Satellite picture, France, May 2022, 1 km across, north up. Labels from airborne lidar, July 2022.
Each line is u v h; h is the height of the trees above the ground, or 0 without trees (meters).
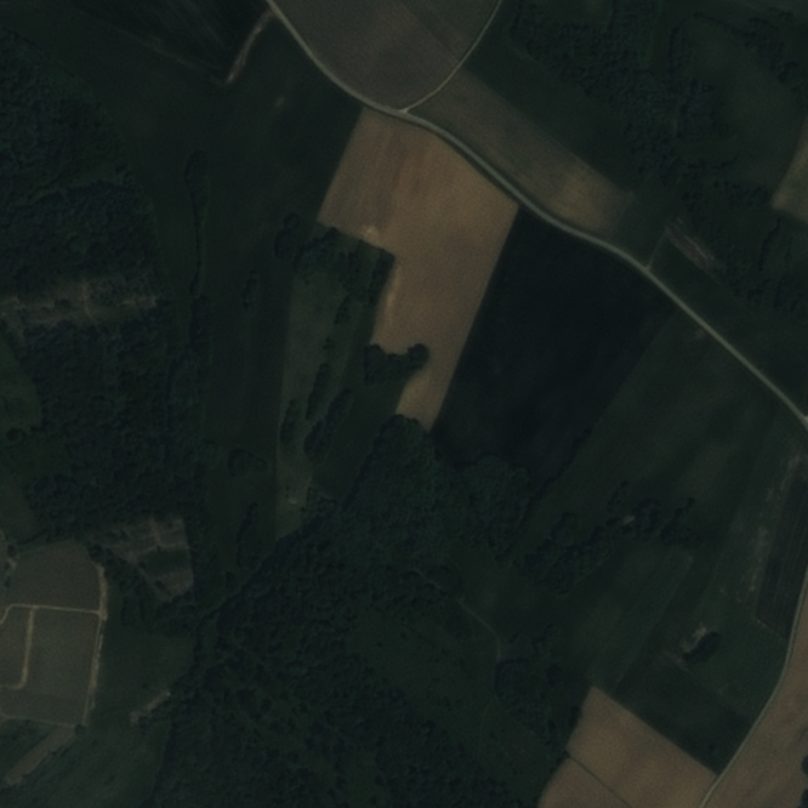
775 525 0
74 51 0
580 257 0
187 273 0
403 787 23
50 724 0
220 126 0
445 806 25
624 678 0
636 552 0
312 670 17
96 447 24
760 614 0
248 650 21
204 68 0
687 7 0
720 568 0
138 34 0
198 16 0
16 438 19
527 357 0
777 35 14
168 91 0
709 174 16
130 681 0
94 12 0
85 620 0
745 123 0
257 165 0
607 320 0
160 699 0
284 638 24
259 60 0
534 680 21
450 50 0
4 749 8
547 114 0
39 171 25
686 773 0
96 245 26
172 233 0
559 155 0
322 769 0
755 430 0
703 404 0
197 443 23
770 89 0
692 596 0
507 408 0
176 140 0
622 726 0
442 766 22
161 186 0
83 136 21
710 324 0
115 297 17
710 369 0
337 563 11
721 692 0
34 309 0
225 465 0
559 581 15
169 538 0
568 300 0
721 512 0
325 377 12
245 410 0
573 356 0
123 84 0
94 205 26
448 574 18
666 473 0
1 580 0
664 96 23
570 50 6
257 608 24
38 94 25
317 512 7
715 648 13
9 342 11
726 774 0
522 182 0
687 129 10
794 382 0
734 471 0
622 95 17
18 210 21
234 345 0
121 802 0
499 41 0
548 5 0
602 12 0
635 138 9
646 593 0
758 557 0
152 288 19
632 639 0
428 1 0
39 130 29
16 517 0
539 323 0
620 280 0
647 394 0
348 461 0
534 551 0
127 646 0
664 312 0
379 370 13
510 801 18
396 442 19
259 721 25
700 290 0
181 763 20
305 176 0
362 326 0
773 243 11
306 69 0
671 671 0
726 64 0
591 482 0
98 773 0
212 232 0
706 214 15
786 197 0
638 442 0
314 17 0
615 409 0
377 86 0
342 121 0
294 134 0
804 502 0
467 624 18
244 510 0
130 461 24
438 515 20
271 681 24
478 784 24
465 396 0
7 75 24
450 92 0
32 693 0
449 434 0
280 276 0
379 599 16
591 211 0
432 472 23
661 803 0
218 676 22
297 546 20
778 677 0
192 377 20
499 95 0
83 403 24
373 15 0
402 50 0
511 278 0
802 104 7
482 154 0
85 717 0
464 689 0
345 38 0
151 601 12
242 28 0
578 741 0
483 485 20
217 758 22
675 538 15
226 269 0
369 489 20
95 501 22
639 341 0
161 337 24
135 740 0
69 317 0
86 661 0
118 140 9
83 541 16
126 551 0
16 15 0
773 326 0
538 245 0
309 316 0
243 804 22
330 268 14
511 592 0
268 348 0
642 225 0
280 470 0
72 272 27
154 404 7
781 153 0
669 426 0
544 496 13
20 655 0
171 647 0
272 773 24
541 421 0
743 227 0
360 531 24
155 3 0
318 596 11
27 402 0
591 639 0
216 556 18
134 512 20
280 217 0
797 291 12
